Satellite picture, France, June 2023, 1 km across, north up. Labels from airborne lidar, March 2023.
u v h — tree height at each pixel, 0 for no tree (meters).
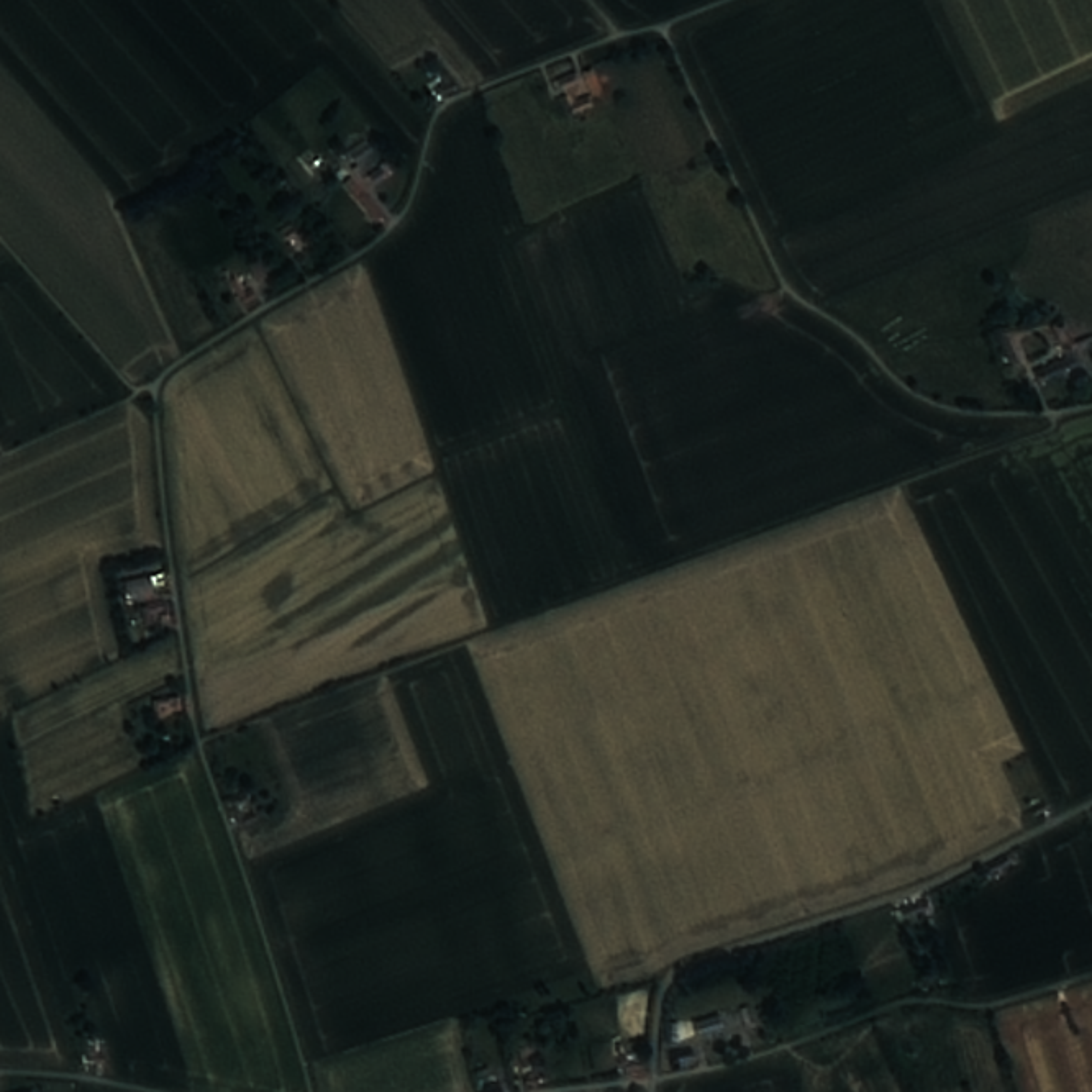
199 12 0
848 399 0
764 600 0
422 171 0
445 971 0
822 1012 0
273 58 0
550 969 0
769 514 0
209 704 0
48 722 0
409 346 0
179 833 0
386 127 0
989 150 0
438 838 0
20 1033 0
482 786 0
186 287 0
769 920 0
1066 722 0
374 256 0
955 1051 0
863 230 0
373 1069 0
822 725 0
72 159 0
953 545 0
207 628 0
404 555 0
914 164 0
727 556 0
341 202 0
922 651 0
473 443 0
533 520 0
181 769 0
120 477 0
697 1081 0
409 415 0
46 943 0
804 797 0
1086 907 0
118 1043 0
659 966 0
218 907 0
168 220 0
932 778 0
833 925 6
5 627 0
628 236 0
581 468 0
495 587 0
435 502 0
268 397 0
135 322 0
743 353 0
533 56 0
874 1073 0
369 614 0
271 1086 0
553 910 0
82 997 0
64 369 0
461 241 0
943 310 0
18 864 0
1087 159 0
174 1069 0
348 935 0
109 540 0
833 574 0
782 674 0
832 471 0
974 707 0
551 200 0
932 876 0
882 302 0
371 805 0
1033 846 0
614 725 0
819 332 0
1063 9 0
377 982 0
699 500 0
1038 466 0
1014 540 0
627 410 0
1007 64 0
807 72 0
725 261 0
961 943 0
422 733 0
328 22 0
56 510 0
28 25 0
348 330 0
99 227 0
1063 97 0
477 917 0
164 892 0
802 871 0
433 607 0
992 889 0
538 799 0
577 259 0
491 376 0
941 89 0
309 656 0
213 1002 0
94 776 0
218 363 0
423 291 0
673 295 0
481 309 0
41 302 0
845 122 0
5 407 0
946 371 0
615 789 0
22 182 0
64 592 0
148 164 0
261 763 0
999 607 0
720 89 0
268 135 0
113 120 0
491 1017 9
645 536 0
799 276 0
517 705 0
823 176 0
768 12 0
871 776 0
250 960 0
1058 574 0
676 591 0
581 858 0
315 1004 0
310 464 0
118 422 0
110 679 0
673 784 0
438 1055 0
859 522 0
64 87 0
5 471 0
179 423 0
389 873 0
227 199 16
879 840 0
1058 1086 0
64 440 0
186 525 0
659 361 0
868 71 0
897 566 0
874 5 0
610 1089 0
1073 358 0
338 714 0
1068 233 0
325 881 0
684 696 0
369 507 0
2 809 0
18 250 0
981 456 0
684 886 0
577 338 0
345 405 0
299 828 0
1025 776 0
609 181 0
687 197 0
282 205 20
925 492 0
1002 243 0
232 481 0
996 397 0
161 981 0
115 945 0
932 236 0
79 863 0
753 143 0
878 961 0
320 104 0
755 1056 0
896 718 0
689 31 0
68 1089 0
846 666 0
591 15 0
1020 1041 0
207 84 0
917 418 0
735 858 0
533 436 0
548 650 0
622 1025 0
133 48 0
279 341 0
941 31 0
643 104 0
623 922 0
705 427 0
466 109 0
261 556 0
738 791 0
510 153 0
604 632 0
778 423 0
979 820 0
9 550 0
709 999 0
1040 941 0
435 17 0
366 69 0
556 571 0
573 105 0
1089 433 0
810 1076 0
